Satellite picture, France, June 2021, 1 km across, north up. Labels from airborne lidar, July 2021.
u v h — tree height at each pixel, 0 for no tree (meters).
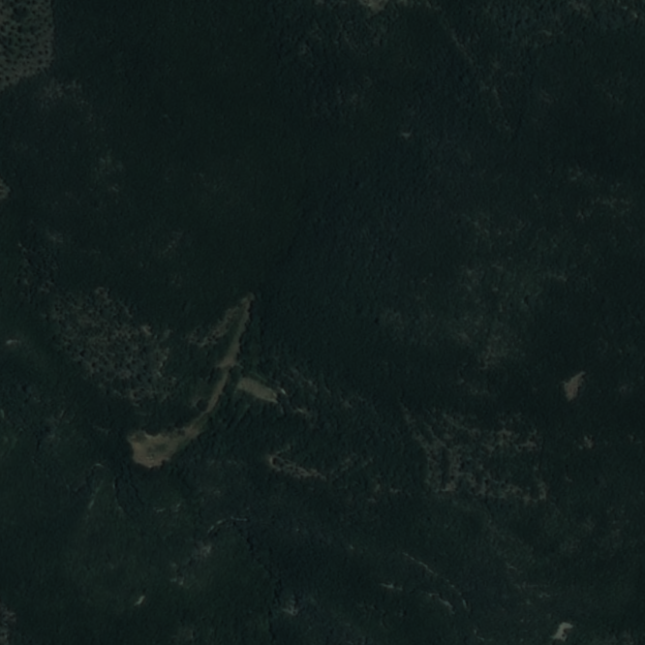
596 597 8
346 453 8
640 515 8
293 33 10
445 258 9
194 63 10
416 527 9
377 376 12
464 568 8
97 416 11
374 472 8
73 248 6
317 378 11
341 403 6
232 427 13
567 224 6
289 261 12
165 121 13
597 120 11
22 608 10
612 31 11
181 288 9
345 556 13
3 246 13
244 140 7
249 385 0
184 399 11
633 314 8
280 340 13
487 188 7
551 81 11
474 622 7
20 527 11
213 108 11
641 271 8
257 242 10
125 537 10
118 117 8
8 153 10
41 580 11
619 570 7
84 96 6
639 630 12
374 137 11
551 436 10
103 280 13
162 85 10
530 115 9
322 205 7
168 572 10
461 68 10
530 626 9
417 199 6
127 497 10
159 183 8
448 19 6
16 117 9
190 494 13
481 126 9
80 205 6
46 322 16
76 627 15
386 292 7
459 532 7
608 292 11
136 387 10
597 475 9
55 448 6
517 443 8
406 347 7
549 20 12
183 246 10
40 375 11
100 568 7
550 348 10
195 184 7
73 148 7
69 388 11
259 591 16
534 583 7
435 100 10
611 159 12
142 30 13
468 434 8
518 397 10
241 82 11
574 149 15
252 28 13
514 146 11
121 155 6
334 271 7
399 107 10
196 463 7
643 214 5
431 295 7
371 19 8
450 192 6
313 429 8
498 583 6
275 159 9
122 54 14
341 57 11
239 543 15
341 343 9
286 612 7
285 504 11
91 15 13
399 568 11
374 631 8
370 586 16
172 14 9
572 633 8
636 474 8
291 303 10
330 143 10
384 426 9
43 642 10
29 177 8
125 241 7
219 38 12
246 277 13
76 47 11
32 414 7
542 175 11
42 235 7
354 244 6
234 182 6
